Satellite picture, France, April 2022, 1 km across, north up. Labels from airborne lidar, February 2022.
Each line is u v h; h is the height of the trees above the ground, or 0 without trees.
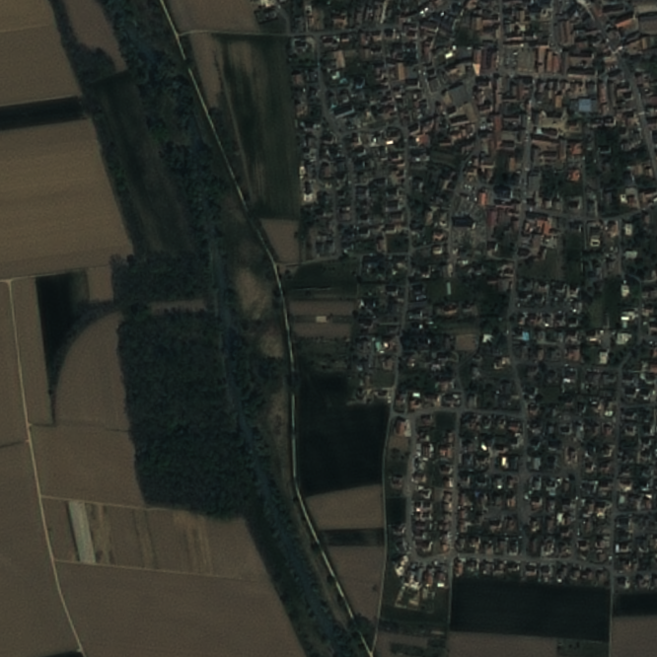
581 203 0
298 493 0
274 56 0
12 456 0
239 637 0
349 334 0
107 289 0
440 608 0
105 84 0
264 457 16
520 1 0
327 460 0
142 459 19
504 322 7
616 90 0
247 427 0
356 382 0
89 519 0
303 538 0
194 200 27
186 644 0
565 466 0
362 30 0
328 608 11
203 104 0
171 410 28
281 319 0
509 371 0
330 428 0
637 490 7
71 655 0
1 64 0
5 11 0
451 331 0
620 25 0
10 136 0
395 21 6
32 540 0
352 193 0
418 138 0
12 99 0
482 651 0
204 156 21
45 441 0
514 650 0
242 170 0
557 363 0
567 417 0
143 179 0
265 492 0
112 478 0
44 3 0
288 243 0
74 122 0
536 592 0
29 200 0
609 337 0
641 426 0
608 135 7
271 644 0
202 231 27
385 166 0
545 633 0
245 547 0
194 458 26
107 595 0
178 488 23
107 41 0
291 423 0
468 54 0
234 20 0
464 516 0
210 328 20
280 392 0
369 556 0
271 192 0
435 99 0
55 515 0
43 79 0
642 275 15
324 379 0
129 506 0
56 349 0
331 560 0
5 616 0
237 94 0
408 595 0
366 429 0
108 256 0
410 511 0
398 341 0
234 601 0
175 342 19
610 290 0
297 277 0
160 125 25
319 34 0
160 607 0
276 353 0
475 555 0
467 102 0
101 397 0
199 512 17
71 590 0
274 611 0
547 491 0
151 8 11
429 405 0
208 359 22
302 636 10
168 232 0
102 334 0
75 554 0
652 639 0
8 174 0
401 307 0
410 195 0
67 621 0
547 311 0
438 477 0
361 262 0
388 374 0
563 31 0
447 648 0
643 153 10
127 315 0
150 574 0
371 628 16
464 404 0
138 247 19
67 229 0
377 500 0
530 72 0
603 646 0
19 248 0
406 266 0
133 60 24
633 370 0
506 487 0
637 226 9
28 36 0
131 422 15
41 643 0
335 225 0
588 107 0
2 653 0
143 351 20
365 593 0
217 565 0
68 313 0
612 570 0
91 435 0
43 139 0
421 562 0
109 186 0
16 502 0
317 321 0
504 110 0
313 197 0
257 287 0
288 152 0
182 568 0
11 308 0
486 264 6
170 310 0
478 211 0
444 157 0
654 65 8
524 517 0
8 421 0
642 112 0
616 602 0
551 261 0
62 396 0
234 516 23
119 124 0
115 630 0
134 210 15
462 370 0
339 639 16
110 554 0
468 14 0
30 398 0
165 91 33
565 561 0
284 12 0
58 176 0
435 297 0
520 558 0
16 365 0
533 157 0
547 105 0
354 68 0
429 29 0
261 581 0
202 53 0
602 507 0
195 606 0
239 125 0
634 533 0
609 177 0
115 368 0
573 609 0
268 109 0
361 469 0
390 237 0
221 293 0
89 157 0
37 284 0
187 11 0
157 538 0
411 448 0
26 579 0
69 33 21
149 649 0
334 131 0
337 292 0
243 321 0
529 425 0
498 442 0
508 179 12
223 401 22
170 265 18
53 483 0
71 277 0
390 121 0
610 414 0
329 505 0
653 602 0
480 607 0
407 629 0
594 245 0
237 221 0
